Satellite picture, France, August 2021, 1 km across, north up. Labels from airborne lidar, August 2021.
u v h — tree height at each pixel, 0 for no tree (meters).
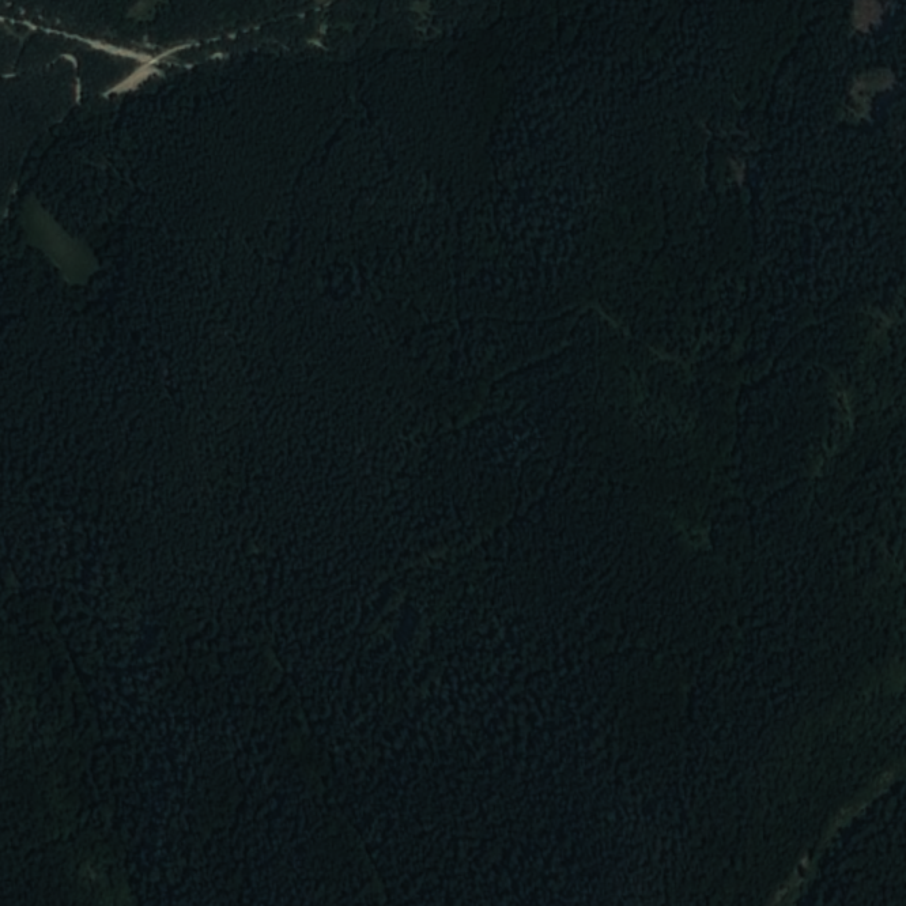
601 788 19
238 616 25
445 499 16
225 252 26
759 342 20
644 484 8
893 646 13
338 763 28
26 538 29
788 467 14
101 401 28
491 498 21
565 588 20
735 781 22
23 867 23
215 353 25
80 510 30
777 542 16
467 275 18
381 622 32
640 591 17
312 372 25
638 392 14
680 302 16
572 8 19
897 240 31
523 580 19
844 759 9
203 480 21
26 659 18
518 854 28
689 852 22
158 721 16
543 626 22
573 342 15
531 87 24
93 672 22
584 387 17
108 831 25
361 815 22
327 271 19
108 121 23
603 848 17
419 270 19
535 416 15
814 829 20
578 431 24
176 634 25
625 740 15
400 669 20
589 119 29
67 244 0
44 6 7
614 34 24
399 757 10
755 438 18
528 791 20
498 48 26
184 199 30
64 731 8
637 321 23
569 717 16
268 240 24
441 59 24
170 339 27
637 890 16
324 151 28
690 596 18
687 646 19
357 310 26
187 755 25
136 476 25
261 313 28
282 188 29
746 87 22
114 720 17
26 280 18
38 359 28
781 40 33
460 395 19
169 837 18
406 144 33
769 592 12
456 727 26
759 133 31
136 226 21
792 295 19
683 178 30
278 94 26
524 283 13
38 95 13
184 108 24
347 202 23
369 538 26
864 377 16
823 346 15
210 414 21
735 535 18
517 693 23
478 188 30
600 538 17
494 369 16
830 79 24
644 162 32
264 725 20
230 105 29
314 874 17
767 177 34
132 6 12
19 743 12
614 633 24
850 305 19
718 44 27
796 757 8
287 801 24
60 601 33
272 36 13
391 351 29
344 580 32
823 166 30
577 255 12
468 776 24
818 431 13
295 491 30
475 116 34
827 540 20
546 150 29
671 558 15
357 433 27
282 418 28
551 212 31
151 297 26
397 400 21
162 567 27
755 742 18
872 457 21
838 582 25
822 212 33
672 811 21
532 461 15
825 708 19
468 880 19
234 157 27
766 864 18
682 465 9
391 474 25
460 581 12
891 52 29
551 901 16
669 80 24
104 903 9
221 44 10
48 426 28
